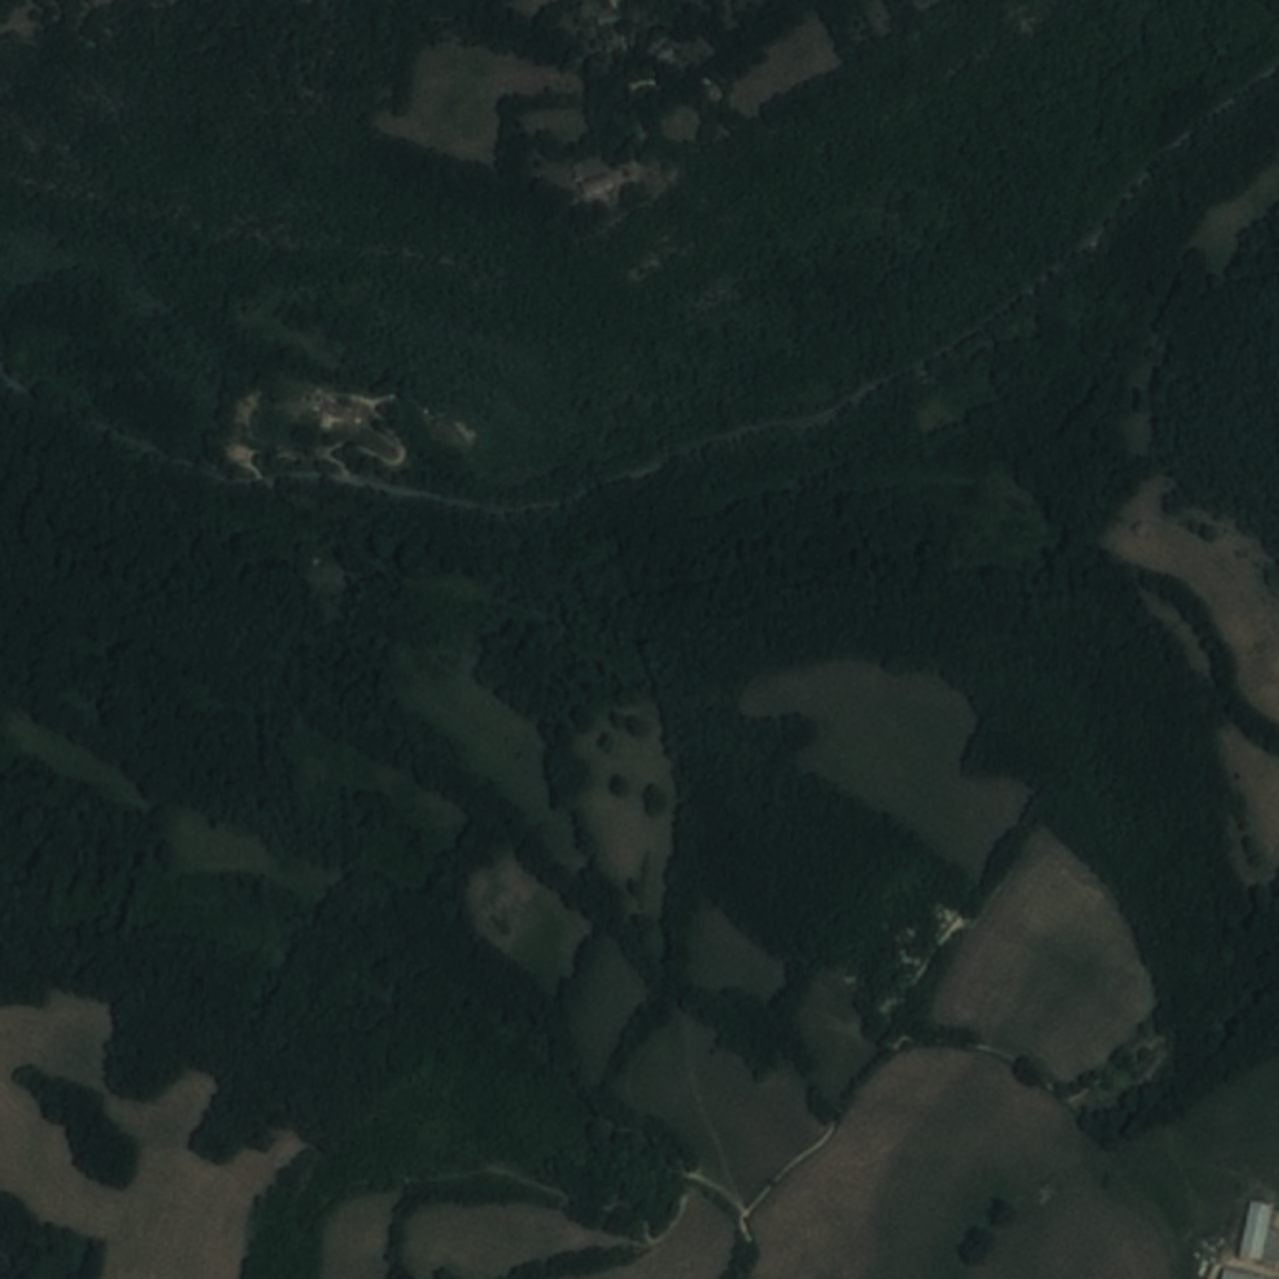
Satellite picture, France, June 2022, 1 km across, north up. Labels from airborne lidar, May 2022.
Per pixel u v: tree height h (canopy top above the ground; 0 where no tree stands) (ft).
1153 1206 0
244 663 72
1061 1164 0
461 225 21
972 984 0
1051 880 0
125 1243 0
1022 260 27
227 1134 44
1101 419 48
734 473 51
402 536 50
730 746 29
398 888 55
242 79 40
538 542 71
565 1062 52
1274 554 43
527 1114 19
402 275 31
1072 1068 0
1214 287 71
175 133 37
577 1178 52
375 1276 0
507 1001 62
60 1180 0
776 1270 0
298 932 31
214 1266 0
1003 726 49
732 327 43
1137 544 0
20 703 37
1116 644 56
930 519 49
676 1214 22
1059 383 21
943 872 41
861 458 45
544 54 42
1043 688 50
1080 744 48
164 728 71
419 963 37
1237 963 81
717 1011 34
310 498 31
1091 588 74
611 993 0
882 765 0
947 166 52
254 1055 43
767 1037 49
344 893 48
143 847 36
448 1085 18
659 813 30
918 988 20
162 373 23
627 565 71
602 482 52
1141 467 63
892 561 60
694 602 87
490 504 64
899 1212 0
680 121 0
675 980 69
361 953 48
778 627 52
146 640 64
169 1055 74
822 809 40
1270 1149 0
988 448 52
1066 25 52
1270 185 0
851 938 39
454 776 77
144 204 27
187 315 40
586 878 47
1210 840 75
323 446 30
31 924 64
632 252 22
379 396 51
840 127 32
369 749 58
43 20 29
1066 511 79
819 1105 53
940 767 0
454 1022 53
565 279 35
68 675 34
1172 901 64
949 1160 0
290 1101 52
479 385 24
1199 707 73
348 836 48
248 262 39
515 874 0
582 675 69
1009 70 49
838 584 76
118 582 64
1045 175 47
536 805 0
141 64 34
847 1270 0
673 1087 0
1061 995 0
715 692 39
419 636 72
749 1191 0
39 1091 40
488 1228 0
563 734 72
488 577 77
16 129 25
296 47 38
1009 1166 0
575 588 21
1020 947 0
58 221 33
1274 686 0
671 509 56
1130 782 52
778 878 30
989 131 38
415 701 0
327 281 34
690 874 69
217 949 67
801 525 89
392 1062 40
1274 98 73
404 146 37
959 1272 0
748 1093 0
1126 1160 0
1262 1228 0
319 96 19
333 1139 38
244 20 35
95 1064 0
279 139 25
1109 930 0
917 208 50
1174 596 57
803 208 44
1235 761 0
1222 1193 0
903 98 26
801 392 46
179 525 88
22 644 51
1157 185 61
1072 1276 0
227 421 51
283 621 63
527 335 41
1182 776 63
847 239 32
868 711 0
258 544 32
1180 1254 0
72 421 46
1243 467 43
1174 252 58
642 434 44
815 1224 0
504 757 0
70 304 67
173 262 34
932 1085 0
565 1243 0
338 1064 51
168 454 44
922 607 50
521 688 63
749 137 29
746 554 71
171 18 38
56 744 0
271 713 31
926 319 33
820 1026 0
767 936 43
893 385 31
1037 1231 0
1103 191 23
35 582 69
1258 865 35
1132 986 0
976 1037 25
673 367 25
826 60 0
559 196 27
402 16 45
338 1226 0
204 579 74
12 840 29
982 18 30
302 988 47
